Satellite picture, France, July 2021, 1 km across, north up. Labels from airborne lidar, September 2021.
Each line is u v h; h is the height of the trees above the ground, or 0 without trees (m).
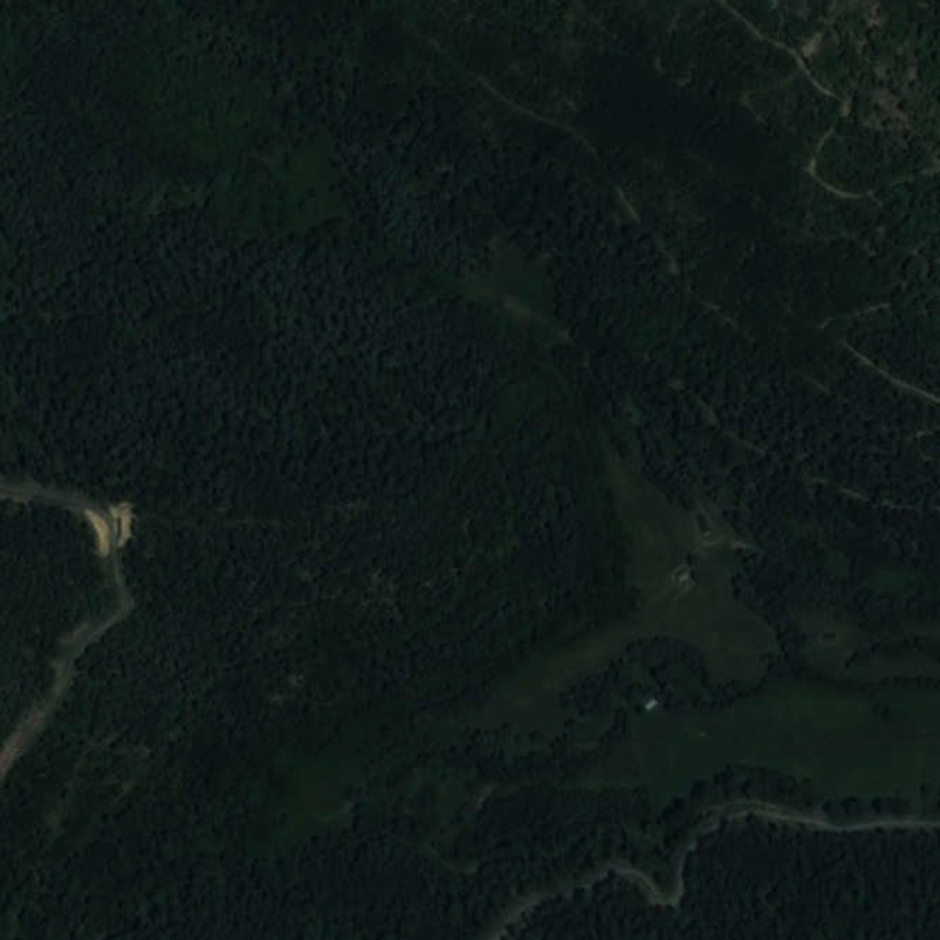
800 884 19
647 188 10
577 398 8
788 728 0
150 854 25
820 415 20
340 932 17
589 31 8
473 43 8
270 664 23
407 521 15
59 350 15
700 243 11
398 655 12
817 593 18
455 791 0
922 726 0
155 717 20
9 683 15
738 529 18
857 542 11
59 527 16
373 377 26
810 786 23
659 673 26
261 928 20
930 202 20
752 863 16
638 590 9
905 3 13
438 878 20
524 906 0
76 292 29
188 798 8
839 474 21
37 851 15
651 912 14
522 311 0
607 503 11
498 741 15
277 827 20
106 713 15
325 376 11
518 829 15
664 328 11
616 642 0
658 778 0
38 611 13
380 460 9
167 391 28
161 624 18
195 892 25
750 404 13
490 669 10
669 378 23
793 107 10
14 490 0
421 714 12
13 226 30
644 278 25
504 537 17
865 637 0
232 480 23
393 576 26
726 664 0
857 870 22
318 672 9
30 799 23
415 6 7
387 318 27
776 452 15
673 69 12
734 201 12
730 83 11
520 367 30
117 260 26
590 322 18
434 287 15
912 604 18
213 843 6
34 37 18
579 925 18
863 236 8
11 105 24
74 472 16
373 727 8
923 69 17
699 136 12
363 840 18
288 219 7
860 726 0
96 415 23
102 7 21
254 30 16
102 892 11
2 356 22
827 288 17
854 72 17
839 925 19
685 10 6
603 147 12
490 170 27
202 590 24
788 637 23
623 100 15
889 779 0
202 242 29
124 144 17
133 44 26
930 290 23
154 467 21
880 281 13
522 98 15
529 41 12
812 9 8
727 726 0
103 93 20
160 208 6
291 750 10
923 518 19
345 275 18
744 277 9
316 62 8
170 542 10
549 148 14
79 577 21
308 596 14
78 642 0
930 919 12
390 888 14
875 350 11
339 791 0
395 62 16
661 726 0
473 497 22
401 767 6
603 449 11
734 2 7
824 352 15
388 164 23
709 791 27
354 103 17
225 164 21
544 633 18
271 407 23
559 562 27
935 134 15
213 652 21
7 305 7
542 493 17
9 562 10
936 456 14
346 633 29
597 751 10
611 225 21
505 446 21
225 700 26
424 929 17
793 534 20
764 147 20
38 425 19
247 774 10
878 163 11
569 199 9
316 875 22
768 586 19
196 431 15
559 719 0
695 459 19
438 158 21
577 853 11
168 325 19
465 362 15
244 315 14
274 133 12
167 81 21
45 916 7
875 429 28
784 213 16
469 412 19
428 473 27
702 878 18
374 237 13
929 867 16
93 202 25
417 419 17
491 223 20
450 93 10
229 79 21
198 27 9
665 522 0
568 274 15
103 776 14
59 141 22
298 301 31
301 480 28
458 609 9
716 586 0
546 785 8
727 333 14
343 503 7
